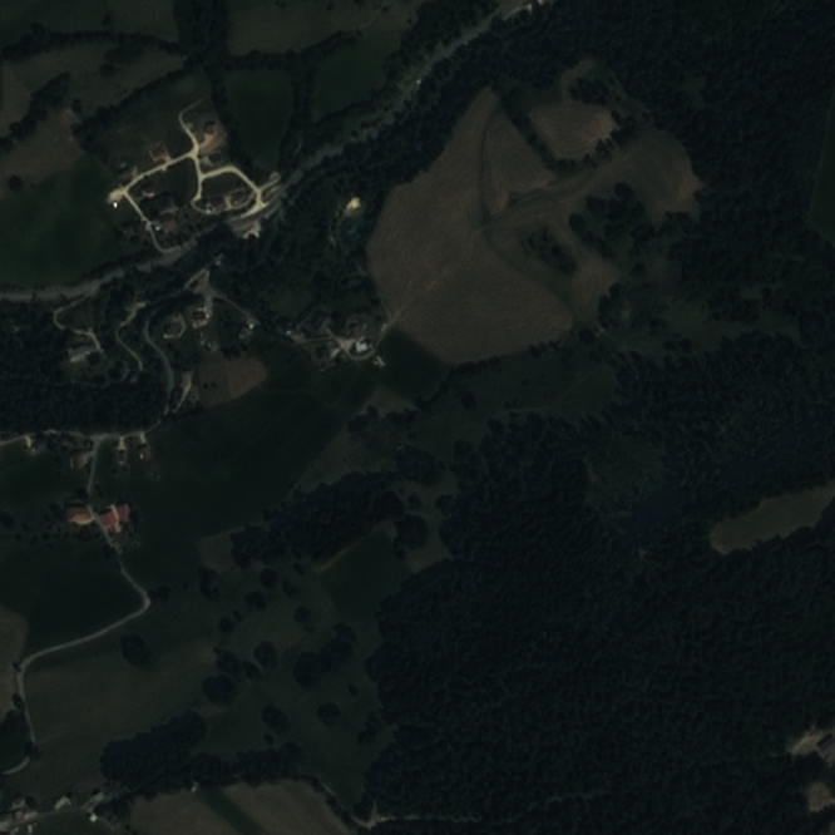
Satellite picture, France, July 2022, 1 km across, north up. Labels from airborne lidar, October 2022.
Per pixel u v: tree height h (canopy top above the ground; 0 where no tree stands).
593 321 0
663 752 26
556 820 16
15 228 0
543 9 18
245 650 0
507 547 33
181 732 22
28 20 0
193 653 0
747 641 14
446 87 0
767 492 17
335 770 0
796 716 14
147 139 0
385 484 14
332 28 0
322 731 0
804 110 26
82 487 0
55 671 0
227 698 25
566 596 24
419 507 16
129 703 0
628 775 21
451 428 0
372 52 0
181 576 0
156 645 0
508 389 0
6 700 0
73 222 0
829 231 0
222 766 17
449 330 0
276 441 0
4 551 0
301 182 8
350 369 0
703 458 19
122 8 0
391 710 21
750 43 7
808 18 8
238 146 9
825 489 0
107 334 9
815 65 27
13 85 0
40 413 11
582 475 35
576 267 0
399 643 15
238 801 0
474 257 0
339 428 0
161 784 18
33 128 14
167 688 0
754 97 23
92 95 0
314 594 0
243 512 0
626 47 25
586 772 20
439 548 0
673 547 26
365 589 0
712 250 17
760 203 7
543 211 0
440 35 13
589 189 0
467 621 19
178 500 0
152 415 15
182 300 9
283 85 0
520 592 28
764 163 8
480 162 0
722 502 20
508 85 0
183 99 0
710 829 23
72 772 0
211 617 0
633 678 27
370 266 0
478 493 14
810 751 0
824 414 10
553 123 0
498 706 6
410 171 24
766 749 13
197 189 0
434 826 13
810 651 17
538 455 7
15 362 22
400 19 0
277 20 0
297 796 0
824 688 16
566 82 0
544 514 26
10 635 0
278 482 0
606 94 11
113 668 0
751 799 17
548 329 0
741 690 20
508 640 22
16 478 0
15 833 0
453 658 19
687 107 7
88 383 15
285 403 0
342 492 17
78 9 0
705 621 18
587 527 23
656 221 0
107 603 0
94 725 0
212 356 0
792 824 21
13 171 0
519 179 0
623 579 26
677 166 0
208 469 0
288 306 0
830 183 0
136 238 6
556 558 28
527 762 28
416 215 0
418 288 0
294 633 0
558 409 0
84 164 0
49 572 0
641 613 28
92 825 0
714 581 21
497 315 0
